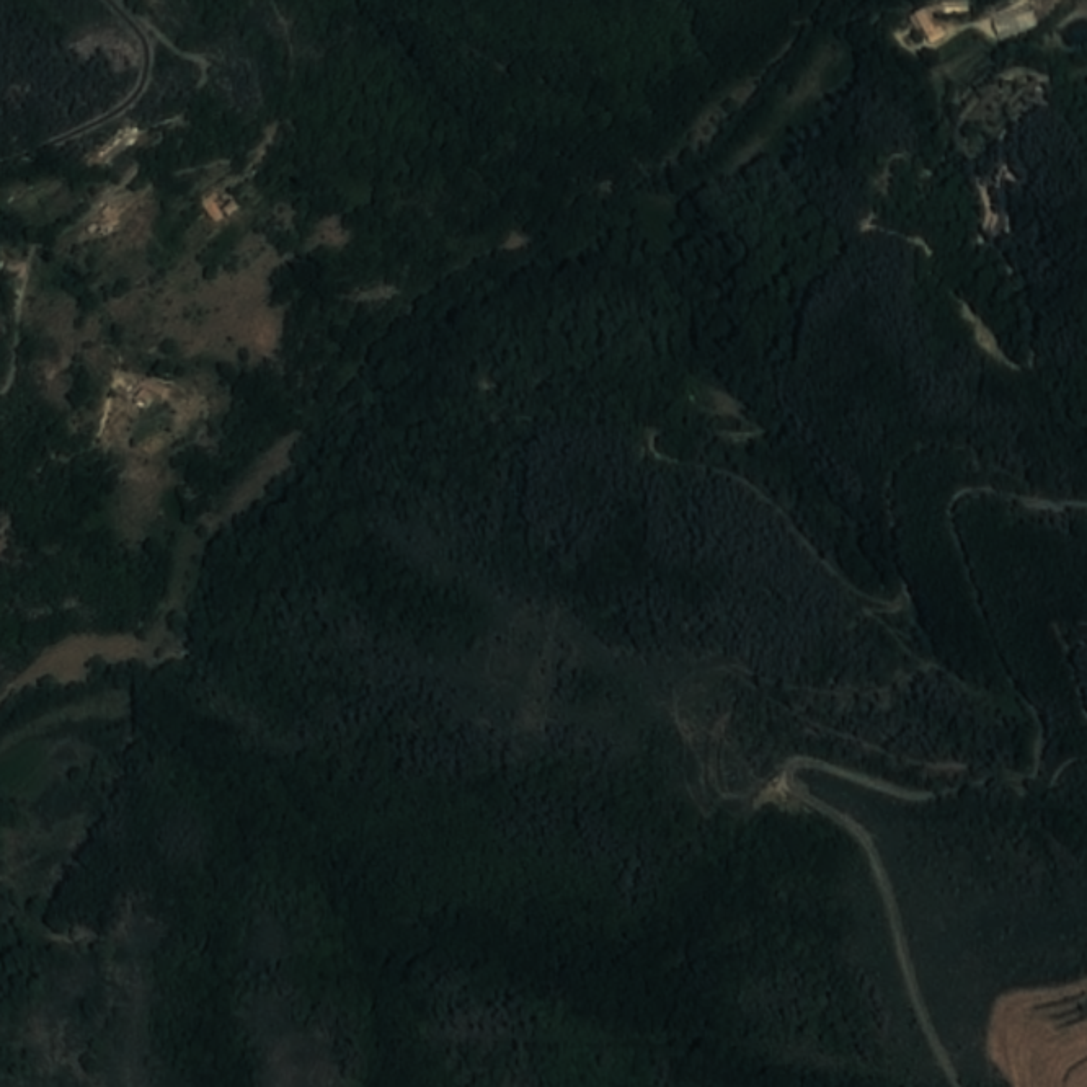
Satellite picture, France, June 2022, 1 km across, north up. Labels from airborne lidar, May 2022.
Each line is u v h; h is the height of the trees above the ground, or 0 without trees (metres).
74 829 0
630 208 9
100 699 0
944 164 11
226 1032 11
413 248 13
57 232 13
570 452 26
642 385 15
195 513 12
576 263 23
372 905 19
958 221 12
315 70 8
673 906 23
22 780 0
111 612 8
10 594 9
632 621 12
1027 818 10
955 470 15
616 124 13
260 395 20
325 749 7
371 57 9
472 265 10
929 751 18
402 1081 20
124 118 6
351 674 8
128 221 0
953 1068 0
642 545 20
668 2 9
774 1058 6
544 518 22
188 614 8
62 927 9
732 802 0
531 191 15
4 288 16
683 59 16
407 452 7
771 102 22
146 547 14
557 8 14
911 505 14
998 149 19
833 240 15
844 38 12
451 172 18
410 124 16
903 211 9
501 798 13
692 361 23
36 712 16
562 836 13
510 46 13
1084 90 12
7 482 10
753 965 9
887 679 11
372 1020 17
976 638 20
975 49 0
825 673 10
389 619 9
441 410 17
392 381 21
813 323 26
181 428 0
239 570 19
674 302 16
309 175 8
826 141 23
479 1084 9
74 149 11
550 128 11
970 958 0
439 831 18
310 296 10
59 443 9
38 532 16
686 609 15
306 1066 0
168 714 19
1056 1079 0
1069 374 14
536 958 27
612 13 10
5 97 12
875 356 23
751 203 12
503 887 16
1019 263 17
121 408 0
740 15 20
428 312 24
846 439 15
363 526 10
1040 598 11
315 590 8
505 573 7
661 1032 9
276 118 7
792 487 12
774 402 12
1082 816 7
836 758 11
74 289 15
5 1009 10
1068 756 10
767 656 22
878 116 16
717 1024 18
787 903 6
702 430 13
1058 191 20
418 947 15
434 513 6
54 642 14
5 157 12
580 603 7
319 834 15
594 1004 26
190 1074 9
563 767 8
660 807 10
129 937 0
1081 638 14
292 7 8
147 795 18
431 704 10
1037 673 21
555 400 17
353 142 8
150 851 14
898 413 13
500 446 6
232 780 19
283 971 15
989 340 0
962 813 8
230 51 0
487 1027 10
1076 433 19
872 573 16
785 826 10
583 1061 6
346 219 12
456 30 11
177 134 10
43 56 9
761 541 14
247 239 0
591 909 21
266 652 9
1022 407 22
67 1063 0
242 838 9
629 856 15
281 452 0
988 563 11
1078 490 17
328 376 16
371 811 18
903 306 22
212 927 19
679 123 17
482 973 19
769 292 16
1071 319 20
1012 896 0
